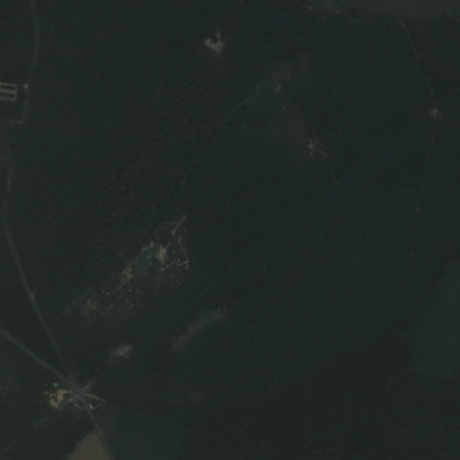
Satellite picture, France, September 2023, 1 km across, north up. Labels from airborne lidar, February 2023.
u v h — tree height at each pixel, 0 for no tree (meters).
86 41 26
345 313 24
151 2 27
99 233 26
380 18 0
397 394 26
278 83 16
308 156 7
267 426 13
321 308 27
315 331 22
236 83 23
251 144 25
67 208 32
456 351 0
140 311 11
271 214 24
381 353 17
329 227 16
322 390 22
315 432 21
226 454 24
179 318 20
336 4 0
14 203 28
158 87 0
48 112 25
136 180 28
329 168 13
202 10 26
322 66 9
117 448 0
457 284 0
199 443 18
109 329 10
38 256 30
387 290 20
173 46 25
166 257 0
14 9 15
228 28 17
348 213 21
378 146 24
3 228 9
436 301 0
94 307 0
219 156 29
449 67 24
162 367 20
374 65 23
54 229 26
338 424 22
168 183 26
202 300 25
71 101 25
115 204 26
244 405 16
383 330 21
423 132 29
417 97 21
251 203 23
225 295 21
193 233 18
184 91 28
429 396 17
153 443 0
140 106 24
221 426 22
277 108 10
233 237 22
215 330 15
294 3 28
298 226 31
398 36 30
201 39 12
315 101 25
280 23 26
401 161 27
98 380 16
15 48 24
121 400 26
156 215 12
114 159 19
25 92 0
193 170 27
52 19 28
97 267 13
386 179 22
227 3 26
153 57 23
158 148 29
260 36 7
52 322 24
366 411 26
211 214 24
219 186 26
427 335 0
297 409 23
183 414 0
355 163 26
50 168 29
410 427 31
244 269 28
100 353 20
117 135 20
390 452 22
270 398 16
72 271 27
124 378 31
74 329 16
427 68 22
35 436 14
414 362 0
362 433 16
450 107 31
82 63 25
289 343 20
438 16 0
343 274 30
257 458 23
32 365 20
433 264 26
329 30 10
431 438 27
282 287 22
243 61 32
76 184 25
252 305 18
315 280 24
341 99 25
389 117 18
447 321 0
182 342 0
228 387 24
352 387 17
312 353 28
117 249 12
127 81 27
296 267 19
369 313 23
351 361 16
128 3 26
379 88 42
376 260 29
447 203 24
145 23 28
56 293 24
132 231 10
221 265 19
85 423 9
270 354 22
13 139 0
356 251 20
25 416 7
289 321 24
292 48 26
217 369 28
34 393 21
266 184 20
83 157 22
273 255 15
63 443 25
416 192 24
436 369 0
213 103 11
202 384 21
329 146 9
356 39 17
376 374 15
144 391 23
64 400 0
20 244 28
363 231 20
